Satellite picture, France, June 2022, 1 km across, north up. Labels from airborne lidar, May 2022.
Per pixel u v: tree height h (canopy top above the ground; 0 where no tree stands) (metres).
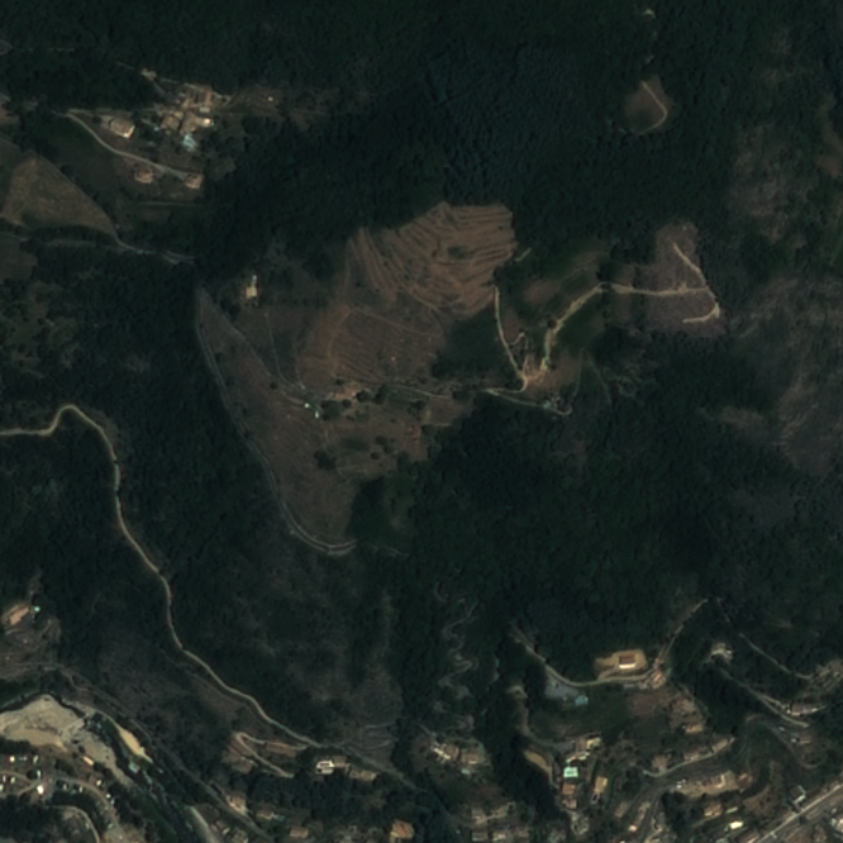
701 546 15
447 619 9
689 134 15
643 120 0
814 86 12
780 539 15
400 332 0
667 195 20
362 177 9
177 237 12
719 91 19
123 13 18
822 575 13
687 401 9
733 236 9
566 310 0
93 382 11
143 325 23
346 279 0
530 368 0
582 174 30
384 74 13
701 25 23
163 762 8
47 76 15
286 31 7
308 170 15
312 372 0
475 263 0
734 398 13
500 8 22
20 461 16
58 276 14
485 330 0
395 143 8
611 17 21
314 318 0
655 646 11
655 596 11
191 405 17
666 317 0
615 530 19
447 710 12
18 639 0
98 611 8
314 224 10
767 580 8
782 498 0
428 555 15
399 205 7
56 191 0
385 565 6
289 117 13
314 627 10
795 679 7
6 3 16
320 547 0
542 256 10
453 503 15
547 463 8
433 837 32
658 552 7
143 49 13
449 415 0
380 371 0
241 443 8
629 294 0
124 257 7
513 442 19
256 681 7
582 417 10
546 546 16
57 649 9
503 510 24
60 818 6
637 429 14
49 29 9
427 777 11
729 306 13
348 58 12
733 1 21
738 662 12
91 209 0
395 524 0
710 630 6
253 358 0
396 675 6
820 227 14
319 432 0
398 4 19
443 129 10
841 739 11
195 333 6
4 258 0
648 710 0
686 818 29
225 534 14
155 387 11
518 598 22
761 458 10
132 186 0
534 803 19
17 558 11
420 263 0
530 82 26
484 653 17
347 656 7
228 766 7
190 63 13
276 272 8
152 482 12
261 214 24
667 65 24
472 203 24
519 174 32
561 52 16
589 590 16
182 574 8
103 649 6
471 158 20
